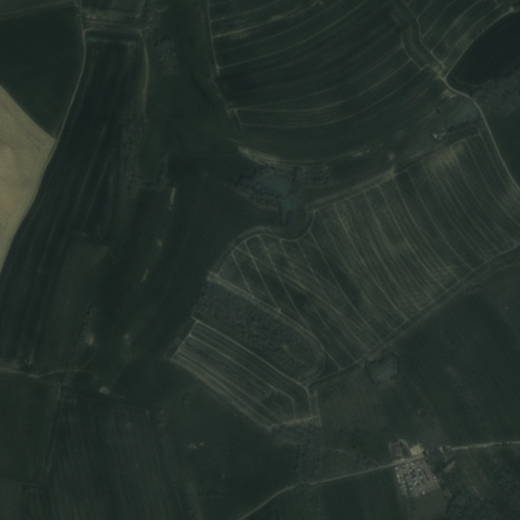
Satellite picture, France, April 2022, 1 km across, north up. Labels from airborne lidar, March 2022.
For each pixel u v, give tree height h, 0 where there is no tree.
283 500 0
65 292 0
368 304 0
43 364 0
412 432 0
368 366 14
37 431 0
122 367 0
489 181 0
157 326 0
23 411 0
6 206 0
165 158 17
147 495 0
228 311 20
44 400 0
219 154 0
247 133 0
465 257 0
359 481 0
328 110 0
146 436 0
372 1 0
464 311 0
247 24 0
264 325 20
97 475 0
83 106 0
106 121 0
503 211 0
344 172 0
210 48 0
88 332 15
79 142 0
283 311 0
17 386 0
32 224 0
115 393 0
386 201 0
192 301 0
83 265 0
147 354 0
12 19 0
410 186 0
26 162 0
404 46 0
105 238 0
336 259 0
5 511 0
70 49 0
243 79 0
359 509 0
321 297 0
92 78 0
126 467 0
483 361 0
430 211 0
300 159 0
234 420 0
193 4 0
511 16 0
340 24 0
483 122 15
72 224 0
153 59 0
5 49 0
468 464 0
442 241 0
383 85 0
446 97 0
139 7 0
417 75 0
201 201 0
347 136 0
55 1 0
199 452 0
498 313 0
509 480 10
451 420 0
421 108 0
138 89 0
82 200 0
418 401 0
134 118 0
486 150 0
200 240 0
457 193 0
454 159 0
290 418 0
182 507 0
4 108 0
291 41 0
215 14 0
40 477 0
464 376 0
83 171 0
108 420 0
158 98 0
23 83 0
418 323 0
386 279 0
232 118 0
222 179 0
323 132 0
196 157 0
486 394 0
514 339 0
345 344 0
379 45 0
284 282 0
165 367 0
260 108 0
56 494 0
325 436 0
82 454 0
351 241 0
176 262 0
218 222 0
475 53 0
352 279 0
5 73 0
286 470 0
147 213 0
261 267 0
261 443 0
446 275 0
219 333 0
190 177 0
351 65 0
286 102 0
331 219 0
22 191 0
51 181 0
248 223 0
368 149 0
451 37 0
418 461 0
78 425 0
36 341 0
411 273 0
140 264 0
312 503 10
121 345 0
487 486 0
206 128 0
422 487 0
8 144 0
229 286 0
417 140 0
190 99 0
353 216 0
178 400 0
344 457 0
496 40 0
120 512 0
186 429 0
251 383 6
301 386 0
